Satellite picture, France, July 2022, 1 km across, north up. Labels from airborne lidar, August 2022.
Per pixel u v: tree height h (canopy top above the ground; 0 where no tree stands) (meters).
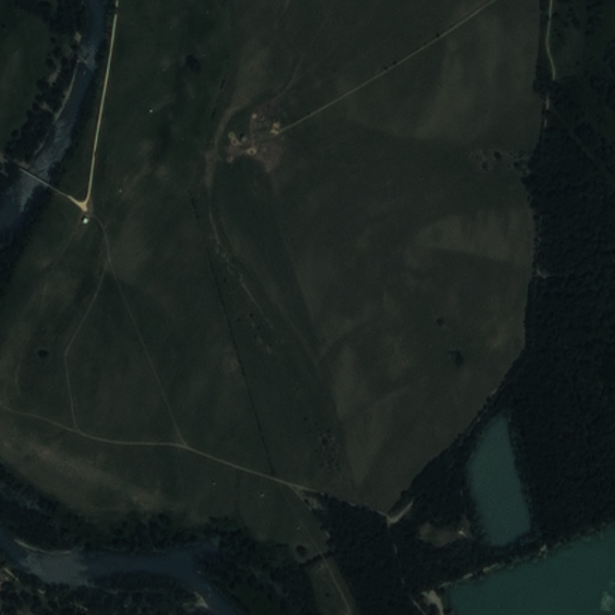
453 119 0
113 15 6
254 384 0
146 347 0
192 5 0
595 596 0
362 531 12
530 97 0
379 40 0
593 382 16
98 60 16
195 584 0
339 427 0
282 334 0
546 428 19
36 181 0
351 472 0
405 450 0
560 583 0
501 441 0
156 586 16
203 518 0
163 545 23
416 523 7
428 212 0
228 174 0
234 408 0
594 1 13
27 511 13
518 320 0
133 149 0
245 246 0
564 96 10
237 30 0
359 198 0
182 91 0
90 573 0
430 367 0
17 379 0
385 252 0
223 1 0
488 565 10
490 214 0
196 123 0
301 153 0
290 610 24
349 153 0
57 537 10
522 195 0
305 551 15
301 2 0
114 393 0
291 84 0
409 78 0
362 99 0
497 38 0
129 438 0
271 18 0
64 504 0
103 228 0
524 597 0
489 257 0
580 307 23
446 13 0
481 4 0
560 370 11
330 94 0
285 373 0
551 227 14
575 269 22
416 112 0
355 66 0
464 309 0
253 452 0
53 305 0
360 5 0
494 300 0
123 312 0
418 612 8
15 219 0
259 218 0
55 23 21
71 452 0
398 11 0
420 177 0
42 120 20
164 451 0
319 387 0
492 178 0
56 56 16
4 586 9
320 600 0
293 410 0
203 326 0
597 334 19
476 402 0
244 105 0
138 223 0
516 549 15
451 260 0
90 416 0
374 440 0
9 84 0
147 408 0
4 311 0
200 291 0
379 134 0
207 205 0
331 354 0
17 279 0
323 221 0
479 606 0
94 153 0
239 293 0
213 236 0
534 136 0
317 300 0
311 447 0
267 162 0
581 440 20
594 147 21
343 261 0
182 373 0
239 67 0
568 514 20
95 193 0
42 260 0
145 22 0
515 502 0
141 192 0
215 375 0
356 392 0
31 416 0
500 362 0
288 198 0
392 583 14
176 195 0
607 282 7
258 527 0
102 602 16
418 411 0
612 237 27
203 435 0
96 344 0
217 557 22
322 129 0
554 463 21
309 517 0
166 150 0
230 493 0
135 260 0
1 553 12
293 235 0
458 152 0
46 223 0
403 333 0
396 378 0
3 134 0
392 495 0
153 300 0
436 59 0
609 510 21
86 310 0
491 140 0
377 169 0
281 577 10
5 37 0
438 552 12
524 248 0
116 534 14
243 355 0
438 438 0
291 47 0
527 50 0
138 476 0
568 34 0
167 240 0
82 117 18
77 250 0
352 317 0
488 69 0
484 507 0
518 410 15
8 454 0
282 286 0
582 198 20
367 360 0
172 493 0
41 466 0
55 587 16
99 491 0
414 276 0
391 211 0
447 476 15
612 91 17
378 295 0
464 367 0
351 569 12
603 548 0
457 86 0
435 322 0
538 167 19
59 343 0
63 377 0
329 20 0
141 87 0
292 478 0
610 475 20
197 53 0
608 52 9
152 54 0
